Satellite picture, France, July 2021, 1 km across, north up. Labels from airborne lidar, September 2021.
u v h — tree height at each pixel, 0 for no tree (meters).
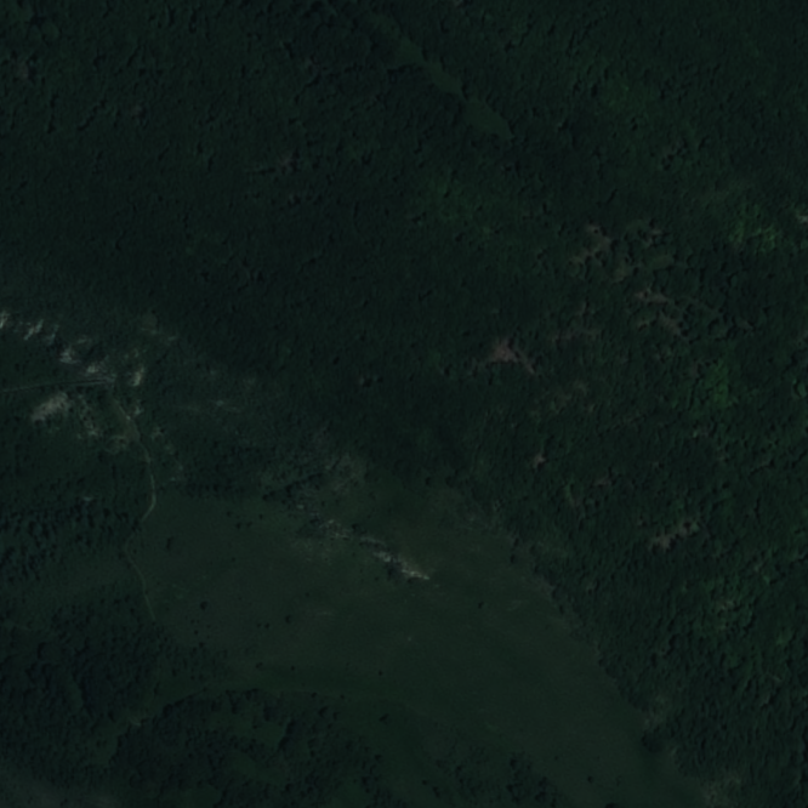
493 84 27
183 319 17
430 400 20
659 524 24
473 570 0
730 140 23
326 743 6
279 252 23
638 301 22
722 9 16
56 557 13
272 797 18
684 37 21
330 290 22
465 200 18
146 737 17
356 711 0
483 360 20
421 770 0
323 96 25
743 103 20
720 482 26
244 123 27
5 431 10
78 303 11
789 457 29
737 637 18
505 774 0
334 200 24
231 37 23
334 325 22
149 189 26
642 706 16
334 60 26
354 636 0
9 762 6
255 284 22
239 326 21
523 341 20
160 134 23
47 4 25
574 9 25
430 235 24
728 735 22
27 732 16
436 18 28
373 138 24
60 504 8
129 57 22
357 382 21
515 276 21
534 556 10
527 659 0
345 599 0
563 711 0
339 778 7
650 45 20
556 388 13
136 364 30
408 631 0
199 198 23
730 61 18
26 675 11
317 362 18
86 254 19
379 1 22
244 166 23
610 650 13
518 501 20
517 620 0
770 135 15
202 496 12
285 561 0
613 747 0
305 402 11
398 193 22
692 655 27
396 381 20
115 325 8
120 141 23
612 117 28
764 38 22
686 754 14
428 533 0
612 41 26
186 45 24
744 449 23
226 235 22
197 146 22
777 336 31
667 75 23
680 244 33
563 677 0
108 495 6
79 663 26
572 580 23
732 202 13
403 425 19
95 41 22
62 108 22
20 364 7
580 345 24
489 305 22
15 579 10
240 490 6
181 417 8
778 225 21
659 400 27
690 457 23
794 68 24
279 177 23
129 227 23
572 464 26
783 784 24
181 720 30
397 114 25
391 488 0
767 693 32
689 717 30
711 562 23
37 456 6
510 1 29
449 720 0
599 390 13
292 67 28
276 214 22
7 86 27
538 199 26
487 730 0
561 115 26
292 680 0
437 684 0
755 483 27
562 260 19
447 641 0
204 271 23
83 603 8
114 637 7
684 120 23
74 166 24
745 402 31
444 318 21
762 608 33
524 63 30
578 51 27
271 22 27
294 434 7
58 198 20
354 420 18
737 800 12
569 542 18
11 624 13
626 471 24
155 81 26
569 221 24
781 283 29
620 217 37
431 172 23
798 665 15
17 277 7
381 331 23
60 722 9
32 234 16
